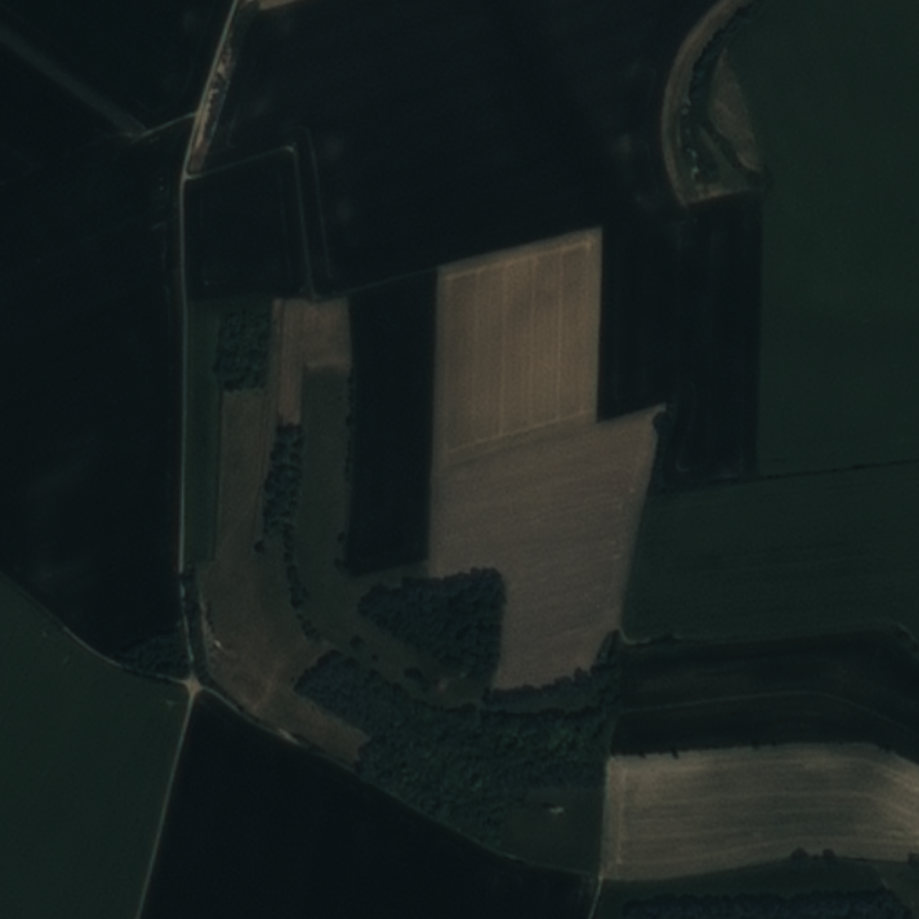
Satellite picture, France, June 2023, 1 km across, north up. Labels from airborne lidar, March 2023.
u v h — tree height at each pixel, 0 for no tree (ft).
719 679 0
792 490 0
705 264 0
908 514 0
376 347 0
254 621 0
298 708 0
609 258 0
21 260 0
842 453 0
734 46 0
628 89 0
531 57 0
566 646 0
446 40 0
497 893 0
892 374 0
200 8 0
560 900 0
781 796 0
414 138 0
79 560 0
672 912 70
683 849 0
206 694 0
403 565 0
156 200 0
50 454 0
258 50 0
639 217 0
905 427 0
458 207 0
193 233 0
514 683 0
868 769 0
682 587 0
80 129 0
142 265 0
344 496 0
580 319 0
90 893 0
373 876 0
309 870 0
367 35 0
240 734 0
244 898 0
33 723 0
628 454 0
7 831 0
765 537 0
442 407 0
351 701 41
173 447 0
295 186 0
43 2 0
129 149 0
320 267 0
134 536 0
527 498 0
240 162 0
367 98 0
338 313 0
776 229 0
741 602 0
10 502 0
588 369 0
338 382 0
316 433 0
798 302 0
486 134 0
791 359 0
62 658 0
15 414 0
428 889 0
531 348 0
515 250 0
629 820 0
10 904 0
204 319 0
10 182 0
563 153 0
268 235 0
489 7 0
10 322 0
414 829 0
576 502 0
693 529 0
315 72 0
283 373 0
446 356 0
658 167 0
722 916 56
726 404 0
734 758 0
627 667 0
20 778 0
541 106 0
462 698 0
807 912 73
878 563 0
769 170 0
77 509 0
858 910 69
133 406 0
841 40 0
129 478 0
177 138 0
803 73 0
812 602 0
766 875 0
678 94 0
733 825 0
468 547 0
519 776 64
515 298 0
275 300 0
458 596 57
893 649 0
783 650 0
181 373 0
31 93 0
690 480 0
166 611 0
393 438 0
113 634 0
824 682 0
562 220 0
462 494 0
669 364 0
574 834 0
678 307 0
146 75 0
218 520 0
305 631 23
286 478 39
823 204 0
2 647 0
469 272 0
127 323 0
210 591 0
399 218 0
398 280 0
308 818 0
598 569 0
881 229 0
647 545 0
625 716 0
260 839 0
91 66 0
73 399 0
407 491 0
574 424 0
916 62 0
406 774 45
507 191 0
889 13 0
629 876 0
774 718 0
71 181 0
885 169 0
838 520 0
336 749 0
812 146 0
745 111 0
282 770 0
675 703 0
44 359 0
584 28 0
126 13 0
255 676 0
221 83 0
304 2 0
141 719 0
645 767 0
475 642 68
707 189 0
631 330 0
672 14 0
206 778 0
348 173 0
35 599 0
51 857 0
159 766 0
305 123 0
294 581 19
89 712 0
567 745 43
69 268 0
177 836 0
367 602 36
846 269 0
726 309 0
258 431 0
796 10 0
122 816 0
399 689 32
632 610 0
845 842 0
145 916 0
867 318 0
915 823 0
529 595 0
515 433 0
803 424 0
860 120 0
